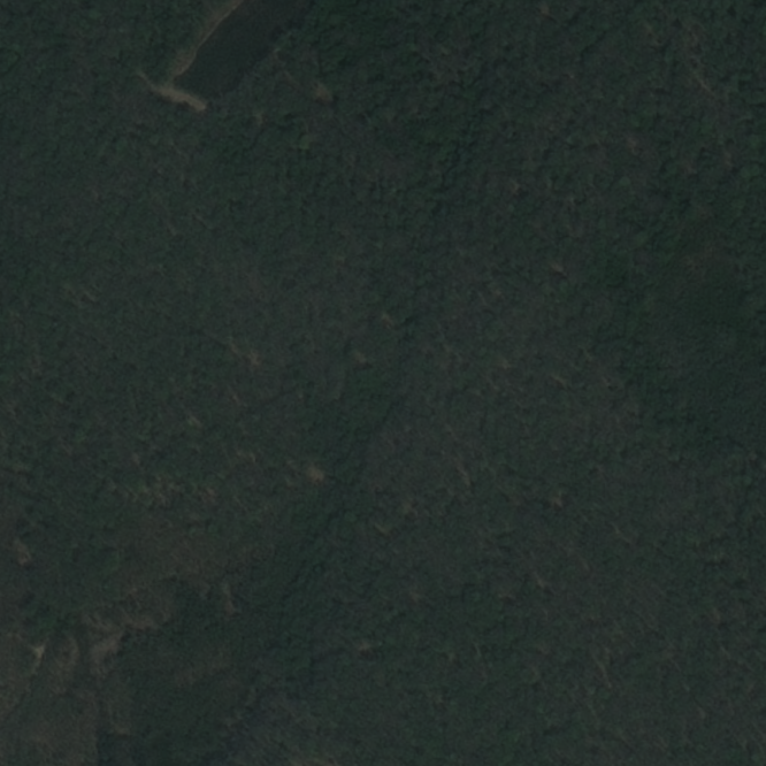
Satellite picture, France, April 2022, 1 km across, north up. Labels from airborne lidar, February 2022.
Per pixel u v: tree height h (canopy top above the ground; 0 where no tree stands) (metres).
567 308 21
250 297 21
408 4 28
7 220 25
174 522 12
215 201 25
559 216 25
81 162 27
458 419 26
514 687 28
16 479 14
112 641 0
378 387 21
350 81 31
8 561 18
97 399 26
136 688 19
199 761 18
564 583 30
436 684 31
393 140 24
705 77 30
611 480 25
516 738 31
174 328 22
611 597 30
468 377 24
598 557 33
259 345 29
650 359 25
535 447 21
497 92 28
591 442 26
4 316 25
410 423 28
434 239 28
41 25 26
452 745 28
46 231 25
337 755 28
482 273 25
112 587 25
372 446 24
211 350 27
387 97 21
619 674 29
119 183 26
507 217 25
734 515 22
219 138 26
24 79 25
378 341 28
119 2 28
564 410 25
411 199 23
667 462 23
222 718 18
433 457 23
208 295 28
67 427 25
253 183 25
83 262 26
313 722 31
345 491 28
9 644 15
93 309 27
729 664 28
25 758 20
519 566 32
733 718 31
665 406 22
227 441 24
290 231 26
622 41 25
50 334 23
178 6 27
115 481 22
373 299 25
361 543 28
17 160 27
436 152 28
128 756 29
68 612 23
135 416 24
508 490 27
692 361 14
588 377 23
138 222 29
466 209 21
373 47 22
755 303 30
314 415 25
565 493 22
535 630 30
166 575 13
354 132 27
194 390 25
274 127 18
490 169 25
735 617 30
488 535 28
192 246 23
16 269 27
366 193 27
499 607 31
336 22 25
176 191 28
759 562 30
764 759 31
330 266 28
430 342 28
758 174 30
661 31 24
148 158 25
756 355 7
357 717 30
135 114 24
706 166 22
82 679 0
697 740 31
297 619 23
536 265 26
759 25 30
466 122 27
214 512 23
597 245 25
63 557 30
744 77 29
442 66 30
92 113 20
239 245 27
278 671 27
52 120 27
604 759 31
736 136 33
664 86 22
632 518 29
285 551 15
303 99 26
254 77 23
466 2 25
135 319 26
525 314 29
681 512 28
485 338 24
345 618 29
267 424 28
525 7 28
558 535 31
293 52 22
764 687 29
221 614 17
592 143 25
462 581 30
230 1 28
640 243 26
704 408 7
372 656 0
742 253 15
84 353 25
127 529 15
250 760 36
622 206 25
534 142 27
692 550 30
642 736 29
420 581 31
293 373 14
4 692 15
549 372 27
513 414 25
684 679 28
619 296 21
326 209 25
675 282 7
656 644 29
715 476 24
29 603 14
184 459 30
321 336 29
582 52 24
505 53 27
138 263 22
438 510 27
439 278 25
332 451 20
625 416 26
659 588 30
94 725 19
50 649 19
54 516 29
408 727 32
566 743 29
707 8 32
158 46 13
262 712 0
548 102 25
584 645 31
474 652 29
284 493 24
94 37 26
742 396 16
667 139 27
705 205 27
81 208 25
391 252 24
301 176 26
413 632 33
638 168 24
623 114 25
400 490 24
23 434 23
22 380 25
